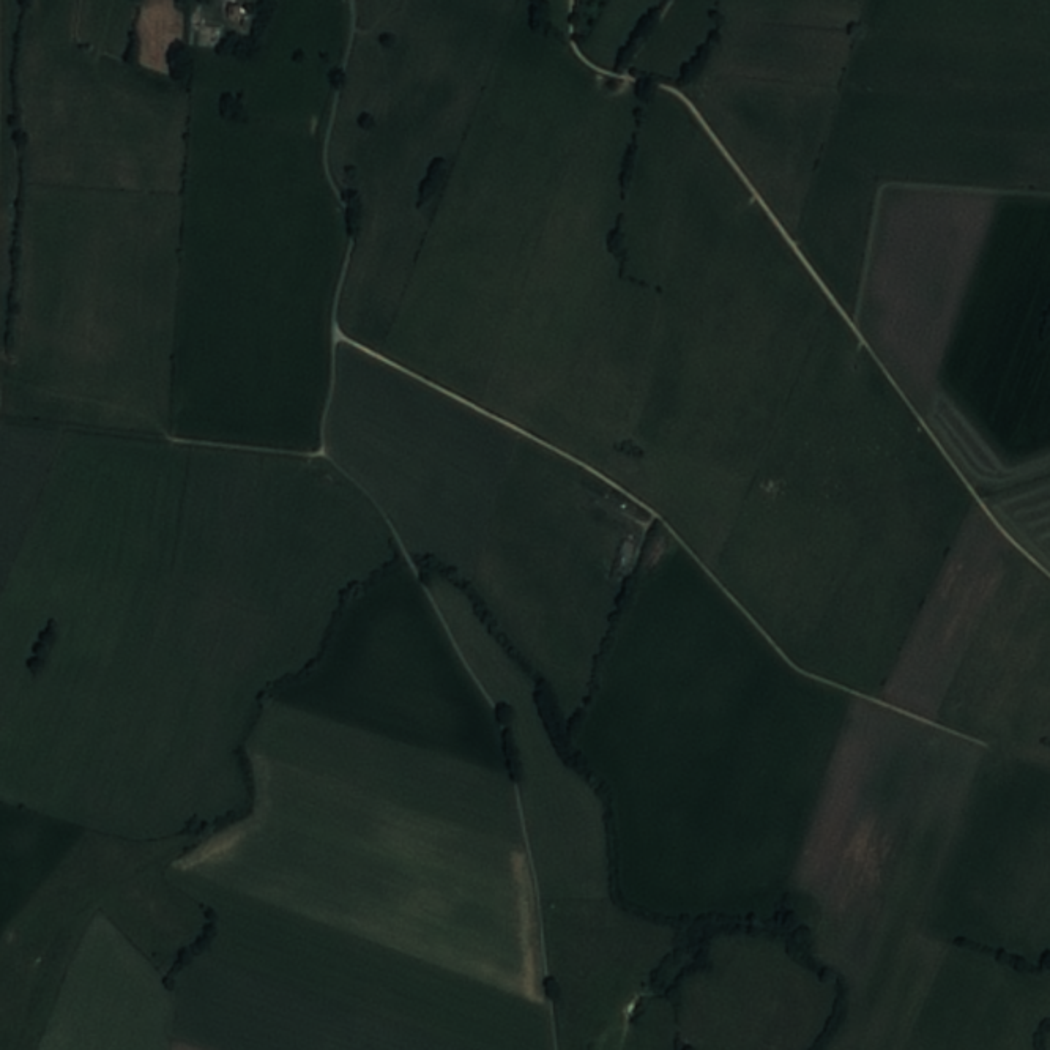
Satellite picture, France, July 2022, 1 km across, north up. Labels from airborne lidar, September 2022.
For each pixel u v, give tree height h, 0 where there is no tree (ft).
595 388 0
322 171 0
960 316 0
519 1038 0
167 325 0
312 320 0
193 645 0
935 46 0
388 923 0
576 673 0
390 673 0
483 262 0
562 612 0
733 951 0
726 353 0
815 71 0
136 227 0
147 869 0
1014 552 0
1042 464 0
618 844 23
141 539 0
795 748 0
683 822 0
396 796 0
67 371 0
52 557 0
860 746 0
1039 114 0
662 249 0
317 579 0
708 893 0
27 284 0
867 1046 0
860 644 0
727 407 0
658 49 0
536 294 0
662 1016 0
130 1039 0
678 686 0
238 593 0
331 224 0
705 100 0
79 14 0
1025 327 0
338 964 0
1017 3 0
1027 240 0
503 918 0
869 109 0
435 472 0
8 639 0
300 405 0
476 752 0
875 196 0
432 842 0
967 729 0
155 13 0
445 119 0
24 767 0
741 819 0
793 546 0
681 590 0
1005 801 0
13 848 0
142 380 0
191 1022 0
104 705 0
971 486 0
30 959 0
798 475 0
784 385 0
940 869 0
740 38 0
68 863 0
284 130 0
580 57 0
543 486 0
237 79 0
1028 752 0
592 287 0
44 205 0
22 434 0
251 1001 0
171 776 0
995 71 0
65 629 0
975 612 0
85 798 0
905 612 0
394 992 0
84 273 0
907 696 0
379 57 0
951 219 0
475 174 0
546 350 0
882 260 0
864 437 0
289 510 0
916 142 0
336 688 0
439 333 0
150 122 0
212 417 0
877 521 0
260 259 0
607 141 0
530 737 0
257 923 0
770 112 0
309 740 0
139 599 0
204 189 0
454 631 0
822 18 0
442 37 0
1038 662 0
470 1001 0
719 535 0
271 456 0
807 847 0
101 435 0
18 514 0
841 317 0
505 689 0
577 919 0
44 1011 0
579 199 0
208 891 0
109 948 0
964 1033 0
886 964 0
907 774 0
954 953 0
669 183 0
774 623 0
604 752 0
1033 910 0
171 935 0
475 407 0
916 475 0
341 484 0
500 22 0
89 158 0
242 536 0
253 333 0
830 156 0
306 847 0
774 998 0
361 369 0
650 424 0
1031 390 0
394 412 0
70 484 0
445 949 0
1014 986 0
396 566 19
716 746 0
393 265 0
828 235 0
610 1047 0
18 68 30
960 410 0
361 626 0
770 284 0
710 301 0
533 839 0
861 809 0
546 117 0
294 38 0
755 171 0
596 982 0
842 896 0
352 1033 0
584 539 0
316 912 0
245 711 0
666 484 0
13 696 0
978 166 0
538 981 0
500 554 0
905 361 0
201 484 0
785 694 0
